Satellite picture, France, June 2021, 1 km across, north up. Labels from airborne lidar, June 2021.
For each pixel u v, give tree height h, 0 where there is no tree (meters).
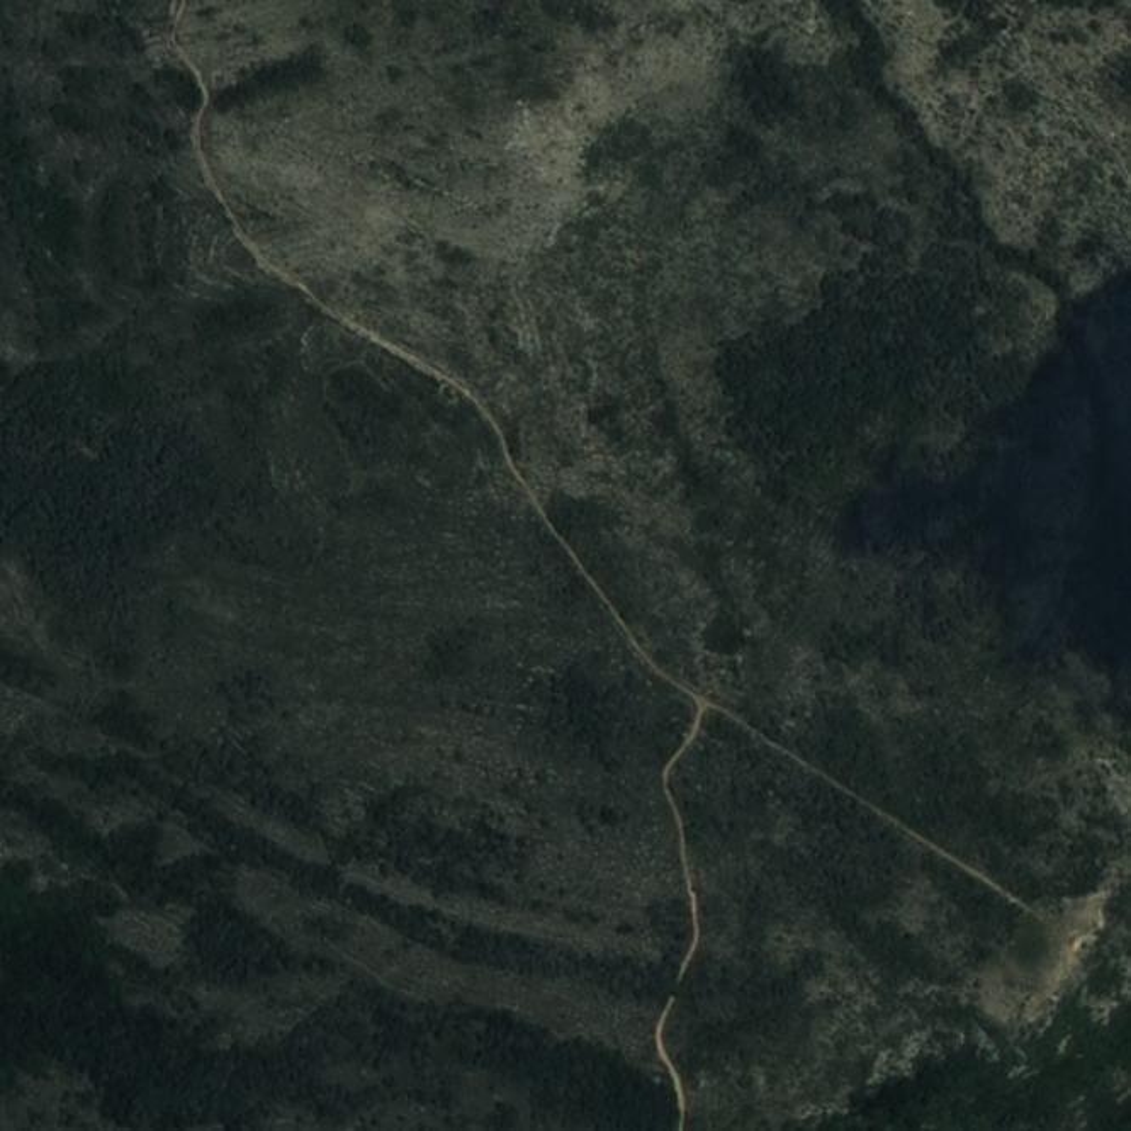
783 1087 0
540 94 0
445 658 9
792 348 14
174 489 6
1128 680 0
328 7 0
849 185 0
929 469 8
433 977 0
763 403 13
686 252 0
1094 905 0
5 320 0
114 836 7
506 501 0
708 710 0
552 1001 0
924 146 11
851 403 9
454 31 0
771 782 7
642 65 0
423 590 0
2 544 10
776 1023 9
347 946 0
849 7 8
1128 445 0
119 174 0
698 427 0
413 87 0
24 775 0
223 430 0
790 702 0
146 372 7
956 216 11
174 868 6
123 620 7
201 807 7
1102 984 8
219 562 0
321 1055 8
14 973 13
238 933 13
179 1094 12
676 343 0
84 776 7
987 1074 9
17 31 0
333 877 10
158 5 0
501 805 0
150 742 6
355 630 0
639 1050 0
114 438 13
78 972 13
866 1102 10
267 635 0
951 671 6
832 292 9
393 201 0
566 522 8
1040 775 0
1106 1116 10
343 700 0
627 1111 11
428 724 0
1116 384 0
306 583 0
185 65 0
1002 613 8
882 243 8
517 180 0
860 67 12
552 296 0
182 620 6
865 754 10
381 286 0
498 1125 6
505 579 0
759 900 8
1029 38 0
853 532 6
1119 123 0
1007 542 6
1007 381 10
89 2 0
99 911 8
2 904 9
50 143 0
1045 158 0
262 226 0
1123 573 7
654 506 0
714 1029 8
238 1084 9
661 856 0
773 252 0
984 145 0
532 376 0
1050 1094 11
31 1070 7
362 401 6
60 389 9
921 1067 5
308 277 0
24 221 6
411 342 0
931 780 6
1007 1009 0
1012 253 9
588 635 0
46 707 0
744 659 0
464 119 0
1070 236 0
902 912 0
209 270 0
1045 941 0
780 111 8
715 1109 0
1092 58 0
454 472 0
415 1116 0
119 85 0
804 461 10
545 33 0
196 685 0
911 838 0
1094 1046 9
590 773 0
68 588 9
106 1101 7
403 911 7
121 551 16
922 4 0
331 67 0
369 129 0
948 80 0
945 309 10
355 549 0
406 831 7
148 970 8
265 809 6
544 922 0
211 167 0
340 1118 7
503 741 0
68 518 11
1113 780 0
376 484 6
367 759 0
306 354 0
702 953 7
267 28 0
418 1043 10
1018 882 5
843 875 8
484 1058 12
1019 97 7
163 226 0
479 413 0
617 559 6
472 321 0
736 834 6
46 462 10
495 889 8
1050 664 5
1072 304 8
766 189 7
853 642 7
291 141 0
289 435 0
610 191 0
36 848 0
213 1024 7
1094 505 10
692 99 0
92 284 0
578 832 0
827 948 0
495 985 0
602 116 0
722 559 0
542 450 0
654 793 0
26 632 0
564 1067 9
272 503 8
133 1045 11
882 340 10
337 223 0
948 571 7
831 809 10
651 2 0
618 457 0
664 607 0
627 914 0
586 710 9
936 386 10
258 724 0
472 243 0
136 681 0
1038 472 0
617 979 9
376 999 8
